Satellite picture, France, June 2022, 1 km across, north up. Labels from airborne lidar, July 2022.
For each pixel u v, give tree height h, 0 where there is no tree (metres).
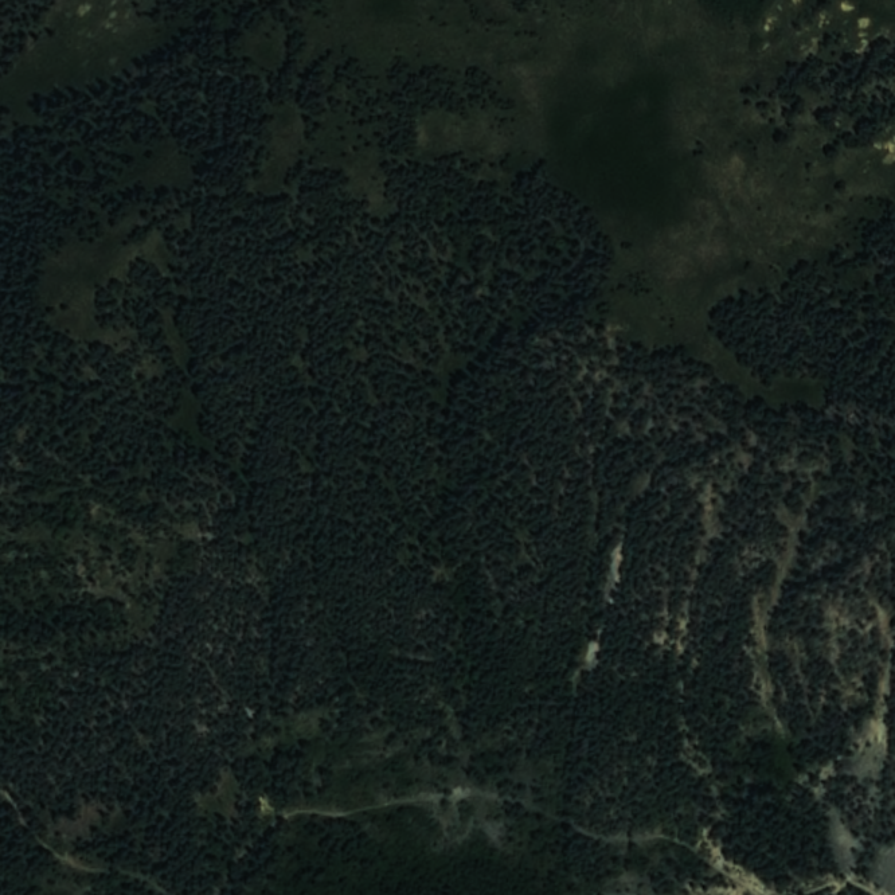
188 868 24
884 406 28
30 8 21
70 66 0
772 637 18
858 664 14
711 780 11
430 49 0
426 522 31
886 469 21
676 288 0
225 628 11
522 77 0
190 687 27
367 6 0
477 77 20
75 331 0
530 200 25
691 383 11
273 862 22
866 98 24
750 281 0
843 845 0
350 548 20
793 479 24
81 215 16
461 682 18
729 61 0
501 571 22
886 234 27
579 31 0
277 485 17
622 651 22
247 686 23
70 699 23
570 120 0
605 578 22
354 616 20
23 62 0
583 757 12
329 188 23
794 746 6
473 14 11
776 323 15
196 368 25
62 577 6
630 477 20
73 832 0
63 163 10
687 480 7
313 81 19
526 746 8
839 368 27
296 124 0
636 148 0
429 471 26
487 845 6
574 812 17
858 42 0
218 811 0
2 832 13
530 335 15
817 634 16
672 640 6
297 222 20
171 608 23
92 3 0
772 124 13
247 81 17
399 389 20
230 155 24
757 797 36
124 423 20
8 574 10
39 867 19
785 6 0
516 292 23
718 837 22
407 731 22
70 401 26
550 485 22
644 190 0
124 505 9
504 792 17
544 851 10
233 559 16
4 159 9
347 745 7
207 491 23
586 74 0
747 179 0
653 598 12
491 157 0
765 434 14
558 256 27
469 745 28
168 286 24
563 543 25
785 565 0
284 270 26
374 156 0
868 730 0
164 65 21
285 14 13
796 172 0
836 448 18
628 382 17
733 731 24
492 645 19
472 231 16
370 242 22
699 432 11
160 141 14
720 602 21
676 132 0
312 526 20
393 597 12
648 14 0
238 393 14
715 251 0
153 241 0
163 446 8
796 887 6
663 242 0
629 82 0
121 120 24
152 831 17
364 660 11
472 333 19
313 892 7
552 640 23
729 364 0
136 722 23
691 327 0
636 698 15
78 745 20
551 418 20
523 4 13
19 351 24
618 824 15
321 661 11
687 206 0
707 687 20
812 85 16
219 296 22
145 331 21
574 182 0
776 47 0
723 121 0
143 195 20
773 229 0
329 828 18
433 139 0
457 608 10
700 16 0
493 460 6
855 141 10
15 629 21
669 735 23
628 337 0
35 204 12
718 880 10
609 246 16
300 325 24
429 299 21
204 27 6
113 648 5
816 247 0
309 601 21
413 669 21
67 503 6
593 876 26
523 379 20
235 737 25
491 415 6
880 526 17
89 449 7
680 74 0
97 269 0
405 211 23
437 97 19
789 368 20
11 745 24
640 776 10
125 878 9
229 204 18
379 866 7
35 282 18
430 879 14
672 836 10
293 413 17
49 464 12
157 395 19
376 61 0
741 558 16
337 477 12
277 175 0
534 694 13
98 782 25
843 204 0
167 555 0
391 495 24
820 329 26
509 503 23
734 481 8
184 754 19
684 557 18
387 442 28
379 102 12
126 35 0
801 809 17
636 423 21
